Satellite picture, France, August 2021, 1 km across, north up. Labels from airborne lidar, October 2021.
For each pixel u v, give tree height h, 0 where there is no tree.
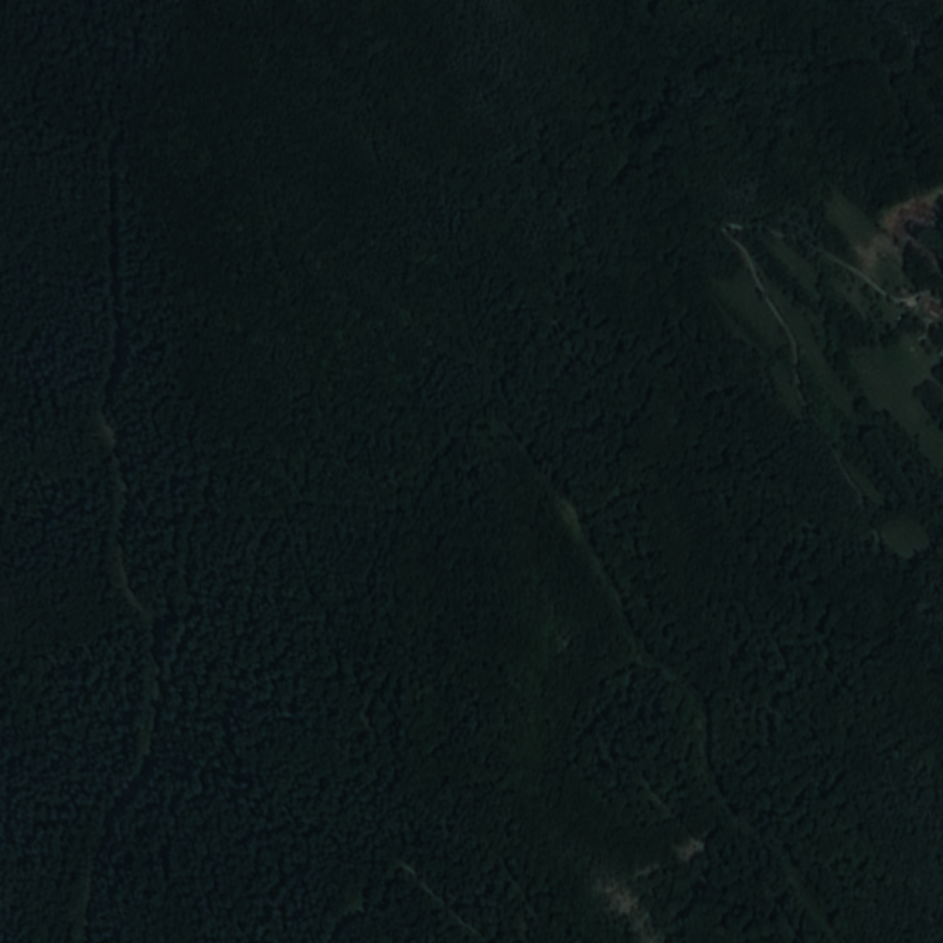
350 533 16
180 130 14
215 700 17
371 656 22
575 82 25
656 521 24
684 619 27
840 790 26
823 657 27
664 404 21
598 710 21
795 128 19
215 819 27
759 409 28
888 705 22
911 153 21
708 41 14
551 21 21
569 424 30
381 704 19
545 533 26
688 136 22
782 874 24
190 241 13
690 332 26
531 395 28
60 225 27
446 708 24
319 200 16
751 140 8
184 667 17
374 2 26
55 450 13
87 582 20
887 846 18
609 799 21
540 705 22
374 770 19
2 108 21
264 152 17
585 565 31
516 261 27
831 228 16
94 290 25
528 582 23
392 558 20
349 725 23
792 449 20
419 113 29
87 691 12
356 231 16
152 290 18
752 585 25
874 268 0
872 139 26
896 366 0
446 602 27
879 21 19
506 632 28
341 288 15
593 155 19
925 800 23
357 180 20
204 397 14
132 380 22
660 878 16
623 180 15
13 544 21
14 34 17
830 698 22
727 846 25
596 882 6
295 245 14
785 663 30
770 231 10
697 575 21
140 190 17
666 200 23
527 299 23
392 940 8
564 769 22
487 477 28
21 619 19
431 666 19
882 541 7
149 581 12
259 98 18
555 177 31
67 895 20
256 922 24
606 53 28
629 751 30
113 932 8
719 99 23
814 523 20
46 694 23
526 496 26
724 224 11
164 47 21
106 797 30
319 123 14
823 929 24
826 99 29
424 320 17
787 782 29
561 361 31
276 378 19
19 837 27
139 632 26
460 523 31
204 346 18
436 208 20
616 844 16
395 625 23
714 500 30
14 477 15
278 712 25
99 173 21
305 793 27
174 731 24
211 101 16
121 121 18
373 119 16
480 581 27
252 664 27
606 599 26
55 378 26
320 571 13
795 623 31
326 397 15
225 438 15
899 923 13
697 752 29
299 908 31
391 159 15
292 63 15
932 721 17
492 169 27
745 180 8
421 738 16
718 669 22
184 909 23
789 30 24
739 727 27
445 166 25
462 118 23
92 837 13
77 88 21
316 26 24
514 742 19
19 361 20
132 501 17
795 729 25
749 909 27
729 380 20
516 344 22
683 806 23
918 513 13
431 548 29
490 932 20
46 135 25
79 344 30
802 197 17
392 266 16
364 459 20
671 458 20
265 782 29
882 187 30
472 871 18
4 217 23
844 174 17
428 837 24
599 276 22
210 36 17
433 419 13
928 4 27
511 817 23
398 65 28
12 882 18
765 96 20
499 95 23
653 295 27
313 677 24
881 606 25
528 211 30
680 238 24
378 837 16
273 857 24
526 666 23
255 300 18
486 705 22
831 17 28
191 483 22
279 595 17
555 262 23
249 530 17
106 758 25
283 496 19
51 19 23
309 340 14
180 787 29
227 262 18
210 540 18
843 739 29
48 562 23
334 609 15
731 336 18
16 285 29
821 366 0
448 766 22
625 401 28
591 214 20
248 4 23
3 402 23
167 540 25
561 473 27
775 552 31
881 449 22
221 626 21
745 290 0
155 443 27
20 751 22
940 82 22
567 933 7
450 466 22
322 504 14
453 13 19
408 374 18
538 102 22
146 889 18
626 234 25
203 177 20
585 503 23
